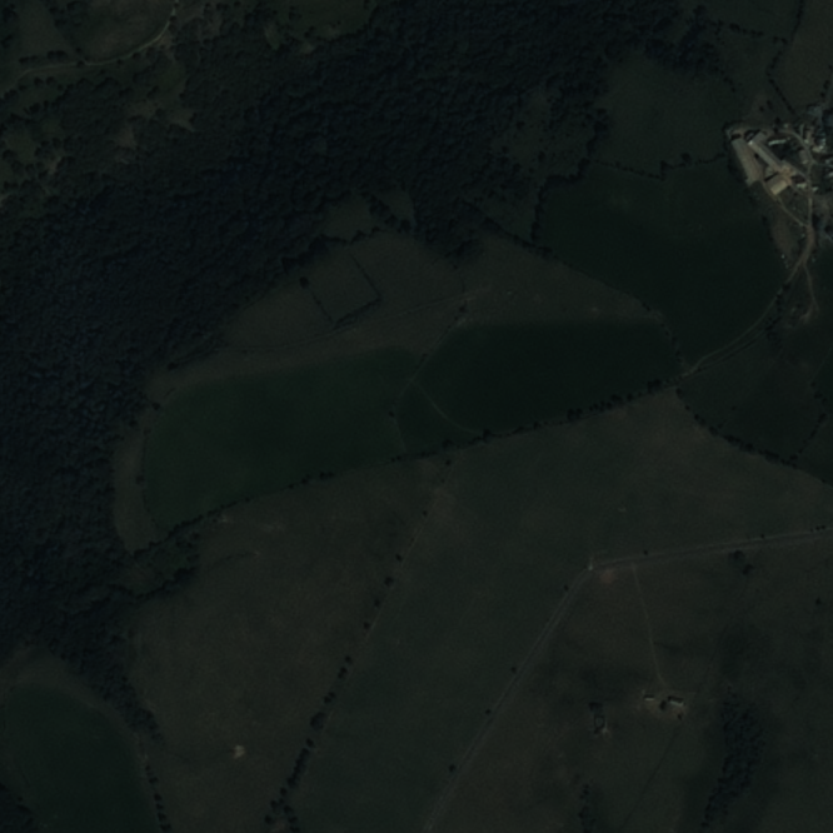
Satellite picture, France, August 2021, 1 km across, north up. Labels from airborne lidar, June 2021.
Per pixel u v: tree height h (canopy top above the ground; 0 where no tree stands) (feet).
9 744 0
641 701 0
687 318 0
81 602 65
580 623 0
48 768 0
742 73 0
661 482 0
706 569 0
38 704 0
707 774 0
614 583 0
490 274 0
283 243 70
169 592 42
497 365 0
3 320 78
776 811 0
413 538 0
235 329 0
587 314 0
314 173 68
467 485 0
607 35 63
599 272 0
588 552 0
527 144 0
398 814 0
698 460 0
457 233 28
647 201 0
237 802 0
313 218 46
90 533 34
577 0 75
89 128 72
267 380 0
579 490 0
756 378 0
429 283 0
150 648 0
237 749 0
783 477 0
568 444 0
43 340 79
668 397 0
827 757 0
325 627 0
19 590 66
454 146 82
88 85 47
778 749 0
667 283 0
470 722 0
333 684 0
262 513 0
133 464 0
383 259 0
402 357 0
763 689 0
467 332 0
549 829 0
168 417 0
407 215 0
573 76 41
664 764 0
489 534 0
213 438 0
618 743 0
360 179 77
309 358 0
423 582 0
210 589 0
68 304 52
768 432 0
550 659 0
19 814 42
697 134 0
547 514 0
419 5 65
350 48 73
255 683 0
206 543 0
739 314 0
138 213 84
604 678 0
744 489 0
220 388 0
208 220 105
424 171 82
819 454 0
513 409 0
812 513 0
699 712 0
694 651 0
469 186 20
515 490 0
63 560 68
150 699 0
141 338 77
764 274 0
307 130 52
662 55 64
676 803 0
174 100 0
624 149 0
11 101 47
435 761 0
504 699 0
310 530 0
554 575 0
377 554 0
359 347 0
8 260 75
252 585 0
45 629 64
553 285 0
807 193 0
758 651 0
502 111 63
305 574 0
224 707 0
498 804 0
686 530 0
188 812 0
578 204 0
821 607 24
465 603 0
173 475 0
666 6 25
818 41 0
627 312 0
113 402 55
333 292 0
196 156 71
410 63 71
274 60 65
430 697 0
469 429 0
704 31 49
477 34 49
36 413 91
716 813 33
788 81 0
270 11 27
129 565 24
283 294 0
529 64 64
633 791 0
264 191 66
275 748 0
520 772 0
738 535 0
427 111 45
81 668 28
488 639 0
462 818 0
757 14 0
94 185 89
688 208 0
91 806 0
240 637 0
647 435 0
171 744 0
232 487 0
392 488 0
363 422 0
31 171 45
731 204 0
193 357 0
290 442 0
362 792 0
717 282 0
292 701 0
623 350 0
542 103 0
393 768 0
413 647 0
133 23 0
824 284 0
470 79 43
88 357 63
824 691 0
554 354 0
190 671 0
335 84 101
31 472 75
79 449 68
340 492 0
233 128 58
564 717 0
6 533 105
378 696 0
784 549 0
